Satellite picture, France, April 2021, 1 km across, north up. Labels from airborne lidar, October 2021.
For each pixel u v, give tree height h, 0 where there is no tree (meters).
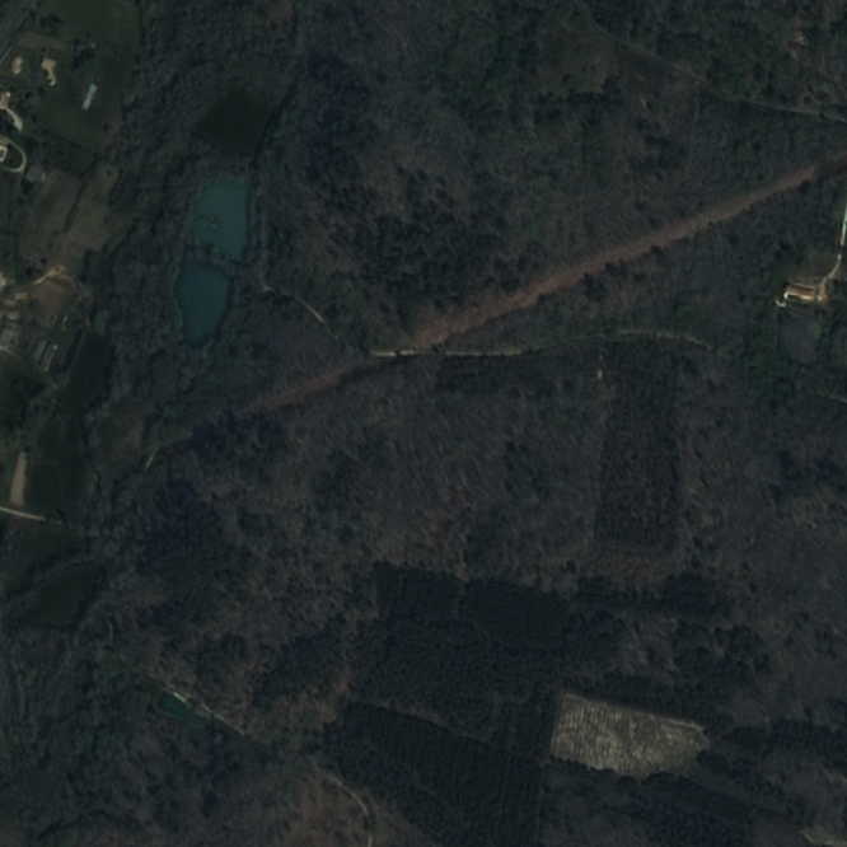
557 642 12
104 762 16
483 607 13
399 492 12
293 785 18
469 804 14
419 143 16
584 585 11
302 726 16
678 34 16
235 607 10
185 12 11
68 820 19
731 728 19
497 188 17
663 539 7
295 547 10
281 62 11
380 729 14
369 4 14
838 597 13
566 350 15
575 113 22
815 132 13
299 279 21
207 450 28
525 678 23
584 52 0
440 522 10
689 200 13
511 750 10
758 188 12
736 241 21
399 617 12
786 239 19
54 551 0
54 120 0
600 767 0
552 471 17
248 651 27
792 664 14
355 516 12
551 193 17
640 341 7
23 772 16
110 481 0
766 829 13
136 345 21
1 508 0
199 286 0
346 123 28
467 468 14
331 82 30
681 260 13
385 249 22
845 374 9
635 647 14
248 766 16
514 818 10
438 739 13
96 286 14
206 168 23
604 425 13
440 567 10
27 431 20
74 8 0
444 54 13
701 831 20
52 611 0
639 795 14
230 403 10
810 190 16
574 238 14
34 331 14
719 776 15
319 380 12
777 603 10
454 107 15
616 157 14
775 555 12
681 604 11
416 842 10
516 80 17
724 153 15
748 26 23
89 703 13
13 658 32
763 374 15
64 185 0
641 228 13
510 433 15
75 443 0
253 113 0
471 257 14
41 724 8
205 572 9
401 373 10
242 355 18
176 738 12
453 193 12
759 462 20
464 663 26
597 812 12
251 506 9
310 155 14
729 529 10
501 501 15
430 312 8
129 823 14
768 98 18
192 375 15
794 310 0
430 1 17
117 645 18
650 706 17
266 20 16
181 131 19
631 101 17
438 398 16
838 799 12
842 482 25
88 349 0
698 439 12
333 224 18
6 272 0
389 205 14
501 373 9
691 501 15
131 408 0
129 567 21
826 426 12
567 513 12
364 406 14
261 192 19
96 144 0
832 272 0
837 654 15
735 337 15
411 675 23
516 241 12
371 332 15
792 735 20
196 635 12
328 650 26
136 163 21
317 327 15
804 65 11
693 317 13
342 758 23
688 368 14
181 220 19
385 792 28
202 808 12
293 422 19
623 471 10
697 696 20
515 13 18
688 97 8
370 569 12
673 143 10
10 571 16
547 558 14
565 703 0
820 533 18
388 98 15
